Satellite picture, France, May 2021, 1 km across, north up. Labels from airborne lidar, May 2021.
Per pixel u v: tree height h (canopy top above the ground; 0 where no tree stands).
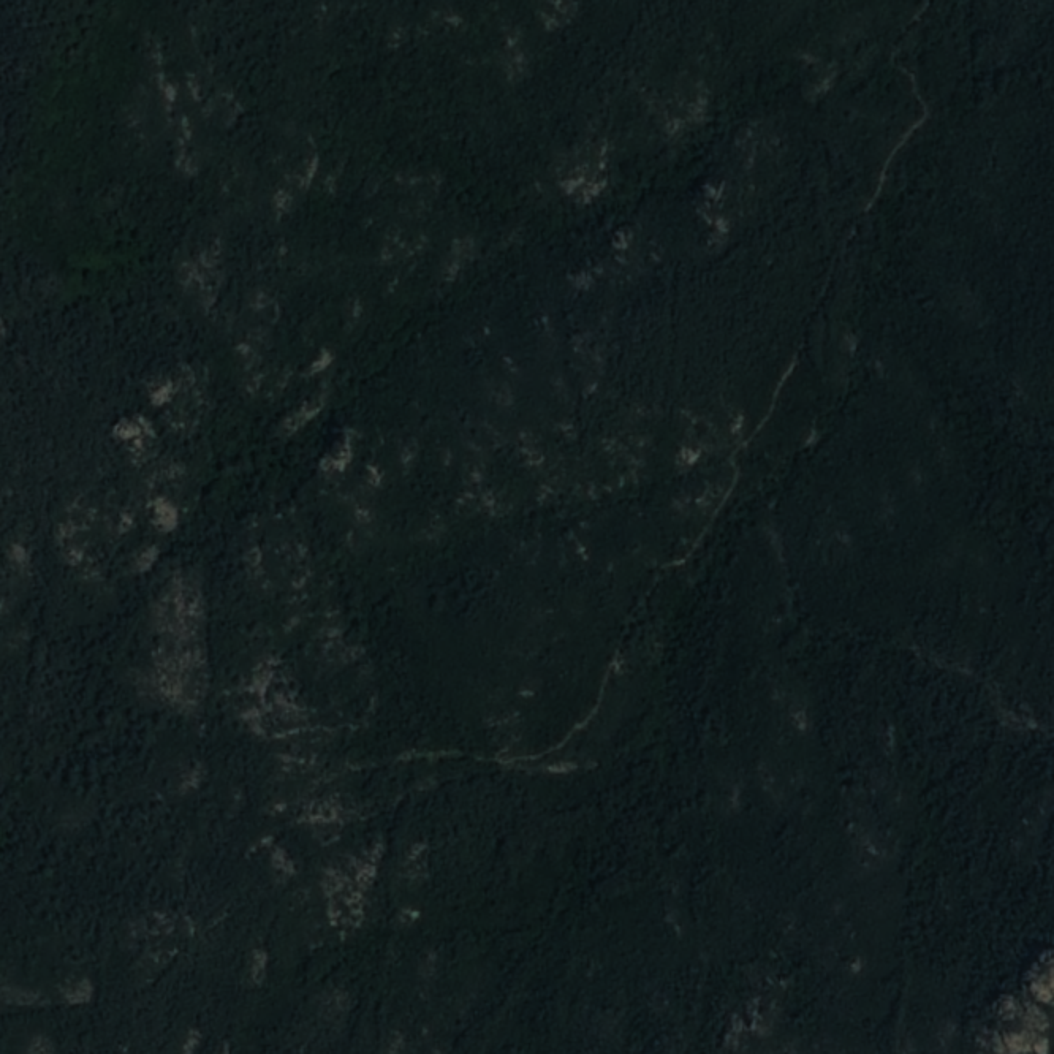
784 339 8
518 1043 6
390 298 8
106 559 16
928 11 10
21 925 10
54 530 9
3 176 15
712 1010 14
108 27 8
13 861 19
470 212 8
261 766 12
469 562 7
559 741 9
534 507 7
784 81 13
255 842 14
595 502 7
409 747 6
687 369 16
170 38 12
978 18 10
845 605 7
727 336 15
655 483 11
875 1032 8
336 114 9
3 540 11
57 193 6
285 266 7
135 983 12
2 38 10
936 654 7
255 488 18
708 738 19
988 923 13
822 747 8
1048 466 17
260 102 6
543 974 7
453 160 21
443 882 13
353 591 19
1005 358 5
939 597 8
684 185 9
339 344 11
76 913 16
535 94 10
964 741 13
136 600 15
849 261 19
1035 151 8
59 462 14
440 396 10
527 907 9
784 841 12
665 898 7
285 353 5
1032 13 5
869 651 17
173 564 20
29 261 13
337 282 5
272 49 15
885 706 6
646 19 11
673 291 12
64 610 14
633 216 6
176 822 8
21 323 18
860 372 14
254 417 11
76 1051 9
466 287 17
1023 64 9
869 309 6
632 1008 6
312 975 20
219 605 14
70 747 8
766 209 13
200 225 6
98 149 7
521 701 6
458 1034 7
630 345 12
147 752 8
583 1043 7
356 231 7
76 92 9
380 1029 11
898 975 12
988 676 16
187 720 11
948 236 6
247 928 14
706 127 13
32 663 15
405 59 8
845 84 14
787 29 6
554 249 11
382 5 6
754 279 11
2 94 13
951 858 9
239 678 13
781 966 7
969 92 15
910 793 6
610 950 5
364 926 7
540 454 8
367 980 18
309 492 7
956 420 12
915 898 16
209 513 5
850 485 6
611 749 6
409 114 11
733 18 6
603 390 11
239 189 7
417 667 5
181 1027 8
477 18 11
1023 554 7
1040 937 18
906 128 6
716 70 7
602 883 23
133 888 9
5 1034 11
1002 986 9
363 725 7
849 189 16
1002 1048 0
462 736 8
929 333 7
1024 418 9
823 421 11
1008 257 6
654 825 12
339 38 9
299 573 10
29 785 6
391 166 8
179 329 15
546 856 15
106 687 15
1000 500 22
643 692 6
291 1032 7
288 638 7
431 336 10
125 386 13
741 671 11
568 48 9
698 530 8
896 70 9
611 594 11
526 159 8
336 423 16
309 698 7
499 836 16
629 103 7
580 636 7
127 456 14
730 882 6
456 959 11
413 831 12
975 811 15
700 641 14
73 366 17
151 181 12
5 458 12
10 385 16
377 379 14
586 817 19
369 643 13
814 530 6
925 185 10
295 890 8
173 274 8
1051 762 11
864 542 6
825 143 10
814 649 10
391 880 14
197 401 8
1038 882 11
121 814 13
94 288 6
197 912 12
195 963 15
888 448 7
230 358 6
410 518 11
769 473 12
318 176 6
